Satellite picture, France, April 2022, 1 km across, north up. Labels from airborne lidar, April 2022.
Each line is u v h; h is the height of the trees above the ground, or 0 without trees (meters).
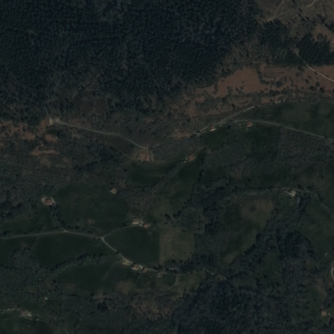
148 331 31
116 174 7
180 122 9
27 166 13
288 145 12
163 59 28
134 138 13
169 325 24
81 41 23
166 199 0
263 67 0
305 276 22
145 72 36
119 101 21
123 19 26
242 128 12
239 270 24
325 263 0
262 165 17
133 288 0
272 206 0
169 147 21
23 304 0
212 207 19
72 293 0
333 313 0
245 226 0
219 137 0
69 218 0
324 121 0
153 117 7
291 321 24
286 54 27
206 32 26
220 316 22
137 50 30
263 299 25
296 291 29
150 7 25
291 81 13
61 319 11
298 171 15
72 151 7
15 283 9
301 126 0
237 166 14
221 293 18
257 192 18
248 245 0
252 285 0
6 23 24
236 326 18
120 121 6
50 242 0
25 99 18
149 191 14
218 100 13
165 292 0
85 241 0
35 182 14
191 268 28
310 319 0
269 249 21
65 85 28
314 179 0
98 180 8
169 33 29
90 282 0
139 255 0
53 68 31
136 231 0
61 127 7
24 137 11
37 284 10
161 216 0
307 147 11
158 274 0
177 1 30
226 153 20
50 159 6
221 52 17
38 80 32
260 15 21
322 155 10
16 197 18
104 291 0
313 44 20
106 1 40
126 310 10
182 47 26
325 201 17
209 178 0
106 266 0
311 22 15
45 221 0
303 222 11
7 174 22
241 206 0
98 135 6
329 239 0
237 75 0
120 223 0
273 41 27
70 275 0
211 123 11
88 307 16
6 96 11
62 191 0
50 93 18
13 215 23
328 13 27
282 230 28
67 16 30
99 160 21
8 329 0
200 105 17
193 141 19
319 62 17
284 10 0
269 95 13
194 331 24
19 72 29
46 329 0
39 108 23
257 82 0
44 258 0
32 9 33
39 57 28
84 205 0
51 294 20
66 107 21
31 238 0
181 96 11
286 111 0
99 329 0
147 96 27
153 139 6
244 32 21
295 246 17
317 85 10
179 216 17
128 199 15
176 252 0
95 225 0
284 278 20
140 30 33
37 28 26
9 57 23
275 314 16
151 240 0
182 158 0
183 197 0
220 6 28
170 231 0
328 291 16
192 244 0
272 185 0
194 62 27
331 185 0
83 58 29
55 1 28
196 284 0
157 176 0
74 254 0
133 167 0
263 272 0
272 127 0
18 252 17
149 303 0
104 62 26
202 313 29
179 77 28
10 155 15
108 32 30
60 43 24
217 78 11
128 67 23
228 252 0
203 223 16
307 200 23
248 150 0
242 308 20
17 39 29
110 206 0
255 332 20
